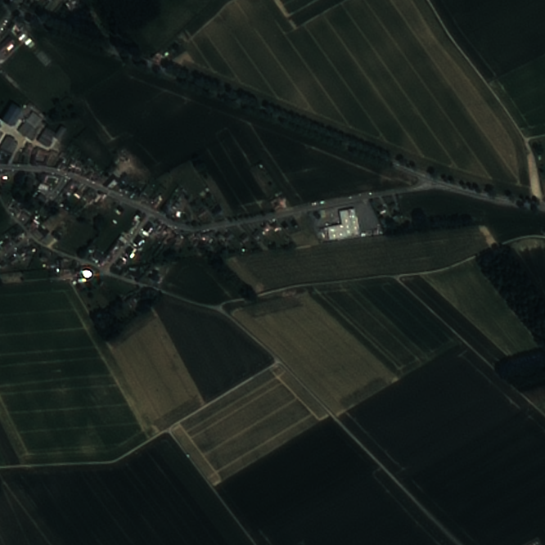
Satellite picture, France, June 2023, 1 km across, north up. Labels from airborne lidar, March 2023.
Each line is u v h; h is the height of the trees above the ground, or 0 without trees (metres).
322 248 0
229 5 0
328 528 0
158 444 0
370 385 0
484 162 0
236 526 0
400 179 0
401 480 0
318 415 0
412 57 0
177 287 0
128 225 0
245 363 0
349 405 0
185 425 0
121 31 28
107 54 0
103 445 0
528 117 0
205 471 0
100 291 0
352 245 0
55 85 0
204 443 0
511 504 0
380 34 0
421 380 0
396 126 0
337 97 0
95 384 0
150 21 0
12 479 0
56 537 0
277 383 0
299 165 0
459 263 0
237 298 0
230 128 0
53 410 0
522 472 0
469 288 0
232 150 0
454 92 0
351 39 0
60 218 0
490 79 0
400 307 0
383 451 0
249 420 0
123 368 0
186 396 0
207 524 0
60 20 25
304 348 0
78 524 0
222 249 9
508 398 0
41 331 0
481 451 0
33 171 0
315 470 0
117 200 0
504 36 0
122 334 0
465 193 0
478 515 0
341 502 0
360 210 0
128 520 0
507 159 0
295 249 0
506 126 0
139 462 0
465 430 0
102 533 0
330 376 0
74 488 0
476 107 0
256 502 0
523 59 0
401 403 0
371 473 0
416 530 0
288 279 0
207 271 0
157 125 0
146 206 0
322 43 0
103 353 0
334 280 0
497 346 0
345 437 0
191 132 0
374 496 0
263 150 0
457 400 0
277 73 0
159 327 0
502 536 0
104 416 0
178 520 0
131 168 0
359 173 0
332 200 0
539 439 0
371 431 0
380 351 0
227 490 0
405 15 0
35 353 0
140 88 0
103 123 0
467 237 0
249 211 0
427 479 0
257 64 0
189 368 0
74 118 7
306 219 0
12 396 0
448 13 0
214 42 0
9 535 0
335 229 0
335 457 0
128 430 0
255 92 0
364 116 0
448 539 0
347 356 0
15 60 0
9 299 0
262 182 0
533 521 0
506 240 0
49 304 0
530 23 0
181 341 0
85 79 0
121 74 0
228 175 0
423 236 0
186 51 0
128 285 0
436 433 0
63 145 0
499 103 0
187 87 21
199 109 0
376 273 0
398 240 0
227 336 0
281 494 0
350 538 0
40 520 0
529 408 0
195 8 0
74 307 0
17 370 0
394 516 0
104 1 36
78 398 0
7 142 0
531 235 0
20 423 0
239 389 0
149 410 0
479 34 0
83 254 11
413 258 0
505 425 0
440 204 0
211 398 0
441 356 0
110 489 0
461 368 0
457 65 0
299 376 0
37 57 0
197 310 0
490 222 0
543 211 0
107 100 0
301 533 0
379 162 18
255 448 0
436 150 0
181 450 0
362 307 0
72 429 0
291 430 0
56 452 0
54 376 0
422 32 0
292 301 0
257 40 0
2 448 0
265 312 0
